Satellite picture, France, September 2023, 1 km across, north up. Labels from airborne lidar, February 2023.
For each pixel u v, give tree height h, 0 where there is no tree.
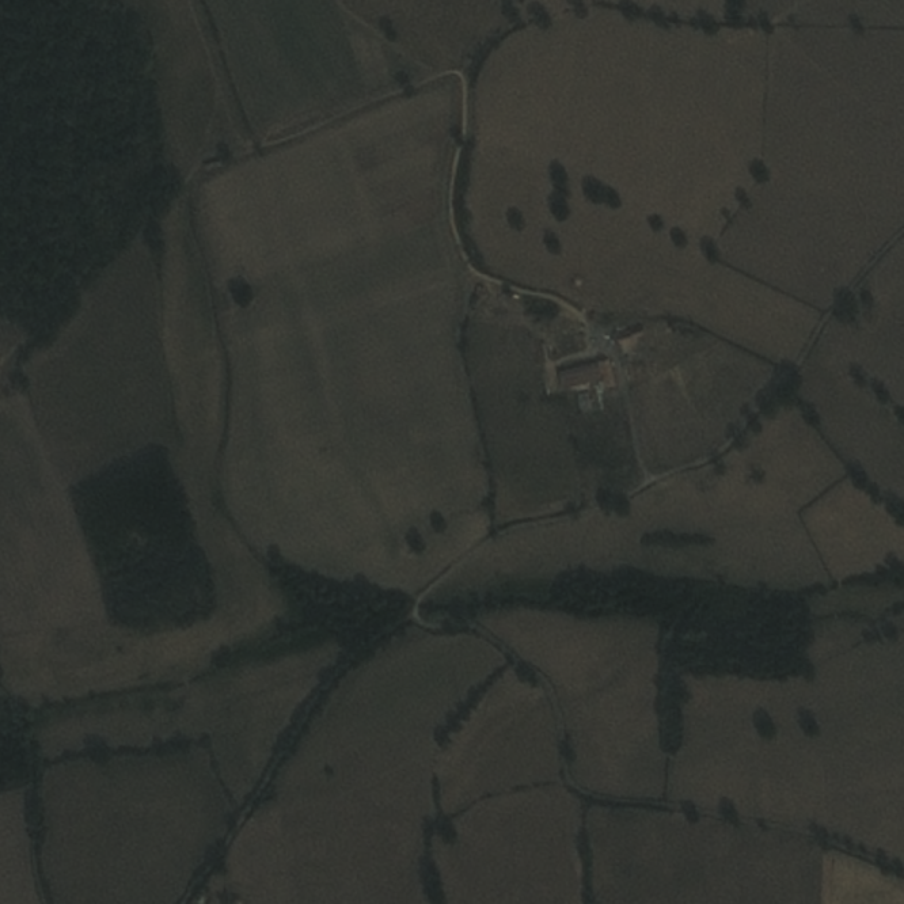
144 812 0
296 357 0
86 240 21
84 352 0
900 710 0
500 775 0
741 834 0
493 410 0
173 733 0
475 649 0
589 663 0
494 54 0
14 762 10
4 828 0
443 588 0
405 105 0
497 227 0
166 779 0
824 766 0
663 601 15
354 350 0
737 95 0
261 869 0
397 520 0
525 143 0
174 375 0
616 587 7
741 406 0
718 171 0
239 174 0
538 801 0
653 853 0
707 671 5
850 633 0
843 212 0
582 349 0
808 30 0
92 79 21
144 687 0
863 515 0
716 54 0
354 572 0
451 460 0
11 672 0
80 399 0
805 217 0
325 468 0
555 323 0
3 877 0
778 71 0
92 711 0
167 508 15
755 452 0
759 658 18
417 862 0
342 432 0
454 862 0
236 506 0
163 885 0
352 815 0
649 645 0
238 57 0
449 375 0
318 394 0
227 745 0
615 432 0
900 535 0
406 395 0
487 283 0
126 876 0
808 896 0
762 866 0
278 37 0
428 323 0
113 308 0
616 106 0
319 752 0
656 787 0
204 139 0
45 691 0
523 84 0
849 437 0
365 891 0
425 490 0
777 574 0
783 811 0
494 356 0
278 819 0
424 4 0
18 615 0
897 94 0
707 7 0
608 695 0
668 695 12
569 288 0
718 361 0
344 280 0
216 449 0
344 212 0
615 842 0
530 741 0
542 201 0
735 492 0
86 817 0
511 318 0
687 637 16
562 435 0
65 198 18
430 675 0
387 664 0
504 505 0
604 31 0
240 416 0
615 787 0
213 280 0
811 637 12
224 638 0
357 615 9
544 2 0
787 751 0
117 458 0
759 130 0
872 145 0
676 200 0
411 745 0
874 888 0
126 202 21
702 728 0
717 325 0
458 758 0
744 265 0
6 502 0
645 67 0
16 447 0
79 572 0
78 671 0
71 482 0
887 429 0
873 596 0
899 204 0
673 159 0
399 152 0
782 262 0
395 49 0
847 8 0
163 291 0
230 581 0
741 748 0
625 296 0
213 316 0
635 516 0
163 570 20
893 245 0
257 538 0
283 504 0
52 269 11
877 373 0
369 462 0
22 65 15
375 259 0
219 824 0
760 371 0
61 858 0
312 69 0
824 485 0
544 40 0
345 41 0
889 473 0
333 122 0
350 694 0
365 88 0
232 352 0
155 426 0
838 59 0
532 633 0
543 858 0
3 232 15
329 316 0
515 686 0
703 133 0
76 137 24
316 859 0
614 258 0
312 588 7
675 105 0
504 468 0
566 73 0
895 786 0
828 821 0
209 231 0
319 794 0
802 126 0
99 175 15
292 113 0
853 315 18
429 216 0
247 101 0
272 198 0
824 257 0
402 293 0
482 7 0
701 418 0
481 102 0
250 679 0
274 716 0
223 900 10
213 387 0
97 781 0
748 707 0
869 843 0
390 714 0
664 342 0
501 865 0
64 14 24
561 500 0
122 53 21
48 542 0
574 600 15
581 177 0
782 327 0
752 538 0
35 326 20
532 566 0
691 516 0
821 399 0
